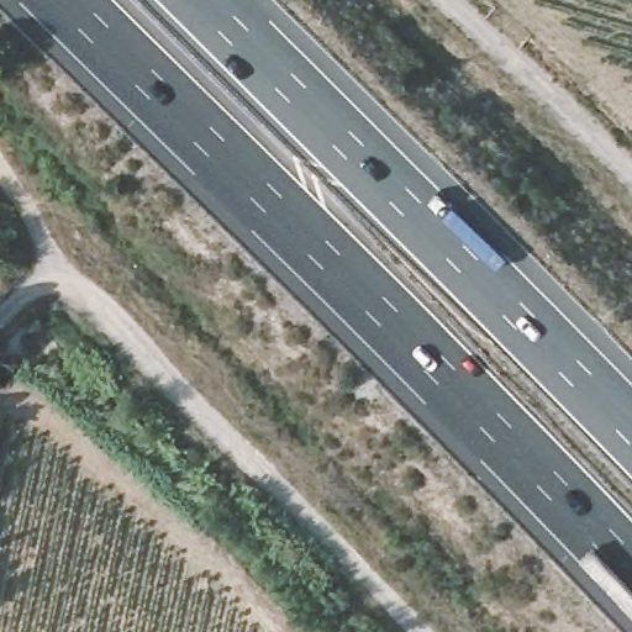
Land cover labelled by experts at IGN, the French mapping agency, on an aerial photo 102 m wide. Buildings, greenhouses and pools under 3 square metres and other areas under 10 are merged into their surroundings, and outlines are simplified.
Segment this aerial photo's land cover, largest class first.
<instances>
[{"label":"impervious surface","instance_id":"1","mask_svg":"<svg viewBox=\"0 0 632 632\"><path fill-rule=\"evenodd\" d=\"M30 72L32 81H40L42 89L49 91L54 79L67 74L77 84V91L67 94L69 109L86 111L99 106L104 111L99 119V136L106 138L111 133L119 138L116 146L123 153H133L136 160H131L128 165L138 170V178L143 180L146 175H153L158 183L180 193L183 207L170 220H165V227L173 230V235L188 252L200 254L202 259L220 262L230 257L237 254L244 262V267H249L267 281L269 291L277 299L272 309L277 311L281 323H301L311 331L314 338H323L326 343H331L338 353V360L348 363L346 375L356 385L375 380L383 390H388L397 400V405L405 412H410L435 437V442L447 452V457L457 462L462 472L472 476L486 491V496L501 506V523L511 526V536L521 541V548L541 563L551 558L620 632H632V323L615 318L605 296H600L593 284H588L578 274L575 267L565 264L518 212H514L506 198L491 188V183L484 175L472 170L469 156H459L454 146L444 143L435 133V128L422 119L420 111L405 106L380 81L375 72H370V67L360 57H353L348 42L341 40L338 32L328 22H323L304 0H0V79L7 84Z\"/></svg>","mask_w":632,"mask_h":632},{"label":"herbaceous vegetation","instance_id":"2","mask_svg":"<svg viewBox=\"0 0 632 632\"><path fill-rule=\"evenodd\" d=\"M17 94L30 86L32 101L40 104L47 119L62 128L69 143H74V153L89 156L94 170L101 173V180H119L121 198L101 193V202L114 215L116 232L126 225H148L151 230L165 227V220H170L183 207L180 193L158 183L153 175H146L143 180L138 178V170L128 165L131 160H136L133 153H123L116 146L119 138L111 133L106 138L99 136V119L104 111L99 106L86 111L69 109L67 94L77 91V84L67 74L54 79L49 91L42 89L40 81H32L30 72L7 84ZM42 252L40 244L32 239L27 215L22 212L17 198L0 180V259L12 267H22L32 274ZM40 212L32 217L37 220L40 230H52V237L57 239L64 257L86 279H91L96 286H101L121 304V309L156 341V346L168 356V360L193 380L198 393L244 439H249L267 459H272L318 511H323L341 528V533L358 548V553L393 585V590H397L417 610L422 622L435 632H620L551 558L541 563L521 548V541L511 536V526L501 523V506L486 496V491L472 476L462 472L457 462L447 457V452L435 442V437L410 412H405L397 405V400L388 390H383L375 380L356 385L346 375L348 363L338 360V353L331 343H326L323 338H314L311 331L301 323H281L277 311L272 309L277 299L269 291L267 281L249 267H244V262L237 254L230 257L235 279H217L210 286H202L198 296L217 304V321L200 323L188 304L173 301L165 281L151 267L141 262L126 267L119 254L111 252L109 242L99 232L81 235L84 217L77 207L59 205L47 195H37ZM269 388L277 395L289 397V407L306 417V430H316L318 439L311 447H299L296 442L284 439L277 432L274 422L269 417H262V397L269 393ZM375 491H390V496L410 506L412 514H427L432 518L435 536H439L442 541H452L454 551L464 553L474 578L472 595L486 610L481 620H469L467 607L459 605V593H437L427 573L417 575L412 568L405 573L397 570V560L405 558L402 548L397 546V541L388 538L385 528L373 518L368 504H363V499Z\"/></svg>","mask_w":632,"mask_h":632},{"label":"vineyard","instance_id":"3","mask_svg":"<svg viewBox=\"0 0 632 632\"><path fill-rule=\"evenodd\" d=\"M536 5L568 12V25L583 30L588 37L583 44L607 49V62L630 69L625 74V81L632 84V0H538ZM0 632H301L286 622L284 607L274 600L272 593H264L254 580L244 575V570L235 563L232 553L220 548L210 536L195 531L190 521L180 518L178 511L165 506L163 499H153L151 489L143 481H138V476L126 472L116 459L106 457L74 425V420L64 417L57 410V405L37 385L15 383L12 378L0 368Z\"/></svg>","mask_w":632,"mask_h":632},{"label":"deciduous trees","instance_id":"4","mask_svg":"<svg viewBox=\"0 0 632 632\"><path fill-rule=\"evenodd\" d=\"M0 151L17 173H27L35 178L37 195H47L59 205L77 207L84 217L81 235L99 232L109 242L111 252L119 254L126 267L141 262L151 267L165 281L173 301L188 304L200 323L217 321V304L198 296L202 286H210L217 279H235L230 257L220 262L202 259L200 254L188 252L173 235V230L165 227L151 230L148 225H126L116 232L114 215L101 202V193L121 198L119 180H101V173L94 170L89 156L74 153V143H69L62 128L47 119L40 104L32 101L30 86L17 94L7 84L0 79ZM49 341H57V351L62 358L54 365L22 363L12 378L15 383L37 385L57 405V410L64 417L74 420V425L106 457L116 459L126 472L138 476V481H143L151 489L153 499H163L165 506L178 511L180 518L190 521L195 531L210 536L220 548L232 553L235 563L244 570V575L254 580L264 593H272L274 600L284 607L286 622L301 632H328V615L346 607L343 593H333L328 588L326 570H321L309 558V551L304 548L301 538H281L277 531H272L269 521L259 518V504L254 501L252 486L235 481L230 486L217 481L212 474H207L210 464L198 462L195 452L165 444L136 417H128L131 395L114 385L111 368L99 356L104 346L111 341L106 333L99 331H84L69 316L67 309H49ZM262 417H269L274 422L277 432L284 439L296 442L299 447H311L318 439L316 430H306V417L289 407V397L277 395L269 388V393L262 397ZM363 504H368L373 518L385 528L388 538L397 541V546L402 548L405 558L397 560V570L405 573L412 568L417 575L427 573L437 593H459V605L467 607L469 620H481L486 610L472 595L474 578L464 553L454 551L452 541H442L439 536H435L432 518L427 514H412L410 506L390 496V491H375L363 499Z\"/></svg>","mask_w":632,"mask_h":632},{"label":"brushwood","instance_id":"5","mask_svg":"<svg viewBox=\"0 0 632 632\"><path fill-rule=\"evenodd\" d=\"M323 22H328L338 32L341 40L348 42L353 57H360L370 67V72H375L380 81L405 106L420 111L422 119L435 128V133L444 143L454 146L459 156H469L472 170L484 175L491 183V188L506 198L514 212H518L565 264L575 267L578 274L588 284H593L600 296H605L615 318L632 323V235H627L615 222V217L607 215V210L583 188L570 163L558 160V156L551 148L533 138L514 119L511 104L499 99L489 89H481L462 64V59L449 54L437 40L427 37L417 27L415 17L402 12V7L393 0H304ZM69 316L84 331H99L89 311L67 309ZM99 356L111 368L114 385L131 395L128 417H136L165 444L195 452L198 462L210 464L207 474H212L217 481L230 486L235 481L252 486L254 501L259 504V518L269 521L272 531H277L281 538H301L304 548L309 551V558L321 570H326L328 588L333 593H343L346 607L328 615V632H405L385 605L375 602L373 585L368 580L356 578V568L348 563L346 553L311 518L301 516L299 506L289 501L286 491L277 481L257 479L242 472L235 464V459L227 452H222L220 444L210 439L205 430L198 422H193V417L163 390V385H158L156 378L136 368L133 358L123 351V346L111 341L104 346Z\"/></svg>","mask_w":632,"mask_h":632},{"label":"pervious surface","instance_id":"6","mask_svg":"<svg viewBox=\"0 0 632 632\"><path fill-rule=\"evenodd\" d=\"M435 7L442 10V15L459 22L464 32L481 44L484 52L496 57L501 67L511 72L514 79L523 84L533 99L548 104L560 126L570 131L580 143H585L590 153L597 156L610 170H615L620 183H625L632 195V156L615 143V138L595 121V116H590L588 109H583L573 99V94L553 84V79L526 52L516 49L504 35H499L467 0H430ZM0 180L17 198L22 212L27 215L32 239L40 244L42 252L32 274L22 267H12L0 259V368L12 378L22 363L54 365L62 358L57 351V341H49V309H67L89 311L99 331L106 333L111 341L123 346V351L133 358L136 368L156 378L158 385H163V390L193 417V422H198L205 430L210 439L220 444L222 452H227L235 459V464L242 472L257 479L277 481L286 491L289 501L299 506L301 516L311 518L346 553L348 563L356 568V578L368 580L373 585L375 602L385 605L405 632H435L422 622L417 610L397 590H393V585L358 553V548L341 533V528L323 511H318L272 459H267L249 439H244L198 393L193 380L168 360V356L156 346V341L121 309V304L101 286H96L91 279H86L64 257L57 239L52 237V230H40L37 220L32 217L40 212L37 195L35 178L27 173H17L0 151Z\"/></svg>","mask_w":632,"mask_h":632},{"label":"plowed land","instance_id":"7","mask_svg":"<svg viewBox=\"0 0 632 632\"><path fill-rule=\"evenodd\" d=\"M402 7V12L415 17L417 27L427 37L437 40L449 54L462 59V64L481 89H489L499 99L511 104L514 119L533 138L551 148L558 156V160L570 163L583 188L607 210V215L615 217V222L627 235H632V195L625 183H620L615 170H610L597 156L590 153L585 143H580L570 131L560 126L548 104L533 99L523 84L514 79L511 72L501 67L496 57L484 52L481 44L464 32L459 22L442 15V10L435 7L430 0H393ZM499 35H504L516 49L526 52L553 79V84L573 94V99L583 109H588L590 116H595V121L615 138V143L632 156V84L625 81V74L630 69L607 62V49L583 44L588 37L583 30L568 25V12L536 5L538 0H467Z\"/></svg>","mask_w":632,"mask_h":632}]
</instances>
